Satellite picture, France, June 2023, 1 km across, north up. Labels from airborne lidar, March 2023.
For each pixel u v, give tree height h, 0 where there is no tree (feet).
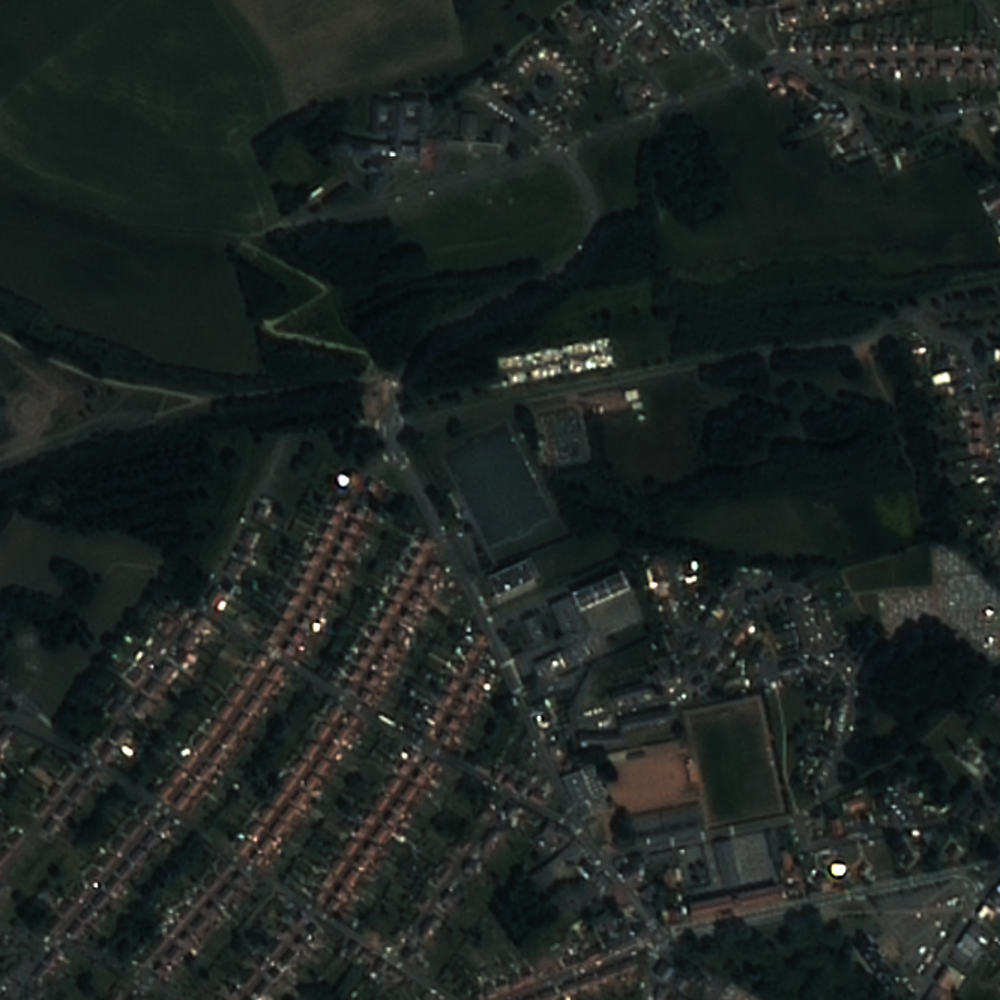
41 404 0
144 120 0
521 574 0
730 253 0
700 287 24
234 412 35
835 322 21
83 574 38
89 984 37
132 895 0
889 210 0
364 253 61
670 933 0
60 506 0
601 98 0
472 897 0
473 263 0
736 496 31
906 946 0
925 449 53
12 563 0
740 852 0
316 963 0
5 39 0
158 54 0
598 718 0
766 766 0
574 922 0
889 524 0
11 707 35
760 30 0
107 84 0
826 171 0
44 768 0
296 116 31
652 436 0
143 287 0
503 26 0
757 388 43
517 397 0
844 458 23
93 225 0
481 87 0
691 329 25
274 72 0
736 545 0
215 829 0
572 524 43
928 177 0
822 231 0
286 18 0
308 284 0
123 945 23
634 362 0
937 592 0
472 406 0
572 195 0
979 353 42
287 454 0
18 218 0
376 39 0
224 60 0
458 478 0
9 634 32
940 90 0
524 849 0
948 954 0
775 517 0
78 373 0
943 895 0
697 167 22
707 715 0
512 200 0
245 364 0
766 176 0
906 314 0
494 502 0
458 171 0
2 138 0
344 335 0
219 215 0
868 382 0
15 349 0
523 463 0
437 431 0
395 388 0
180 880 0
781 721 0
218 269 0
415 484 0
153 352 0
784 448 48
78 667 0
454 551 0
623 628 0
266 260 0
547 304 43
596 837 0
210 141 0
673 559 0
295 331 0
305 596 0
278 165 0
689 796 0
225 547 0
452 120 0
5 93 0
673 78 0
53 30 0
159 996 0
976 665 72
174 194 0
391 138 0
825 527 0
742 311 19
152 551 0
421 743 0
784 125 0
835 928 47
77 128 0
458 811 0
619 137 0
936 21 0
